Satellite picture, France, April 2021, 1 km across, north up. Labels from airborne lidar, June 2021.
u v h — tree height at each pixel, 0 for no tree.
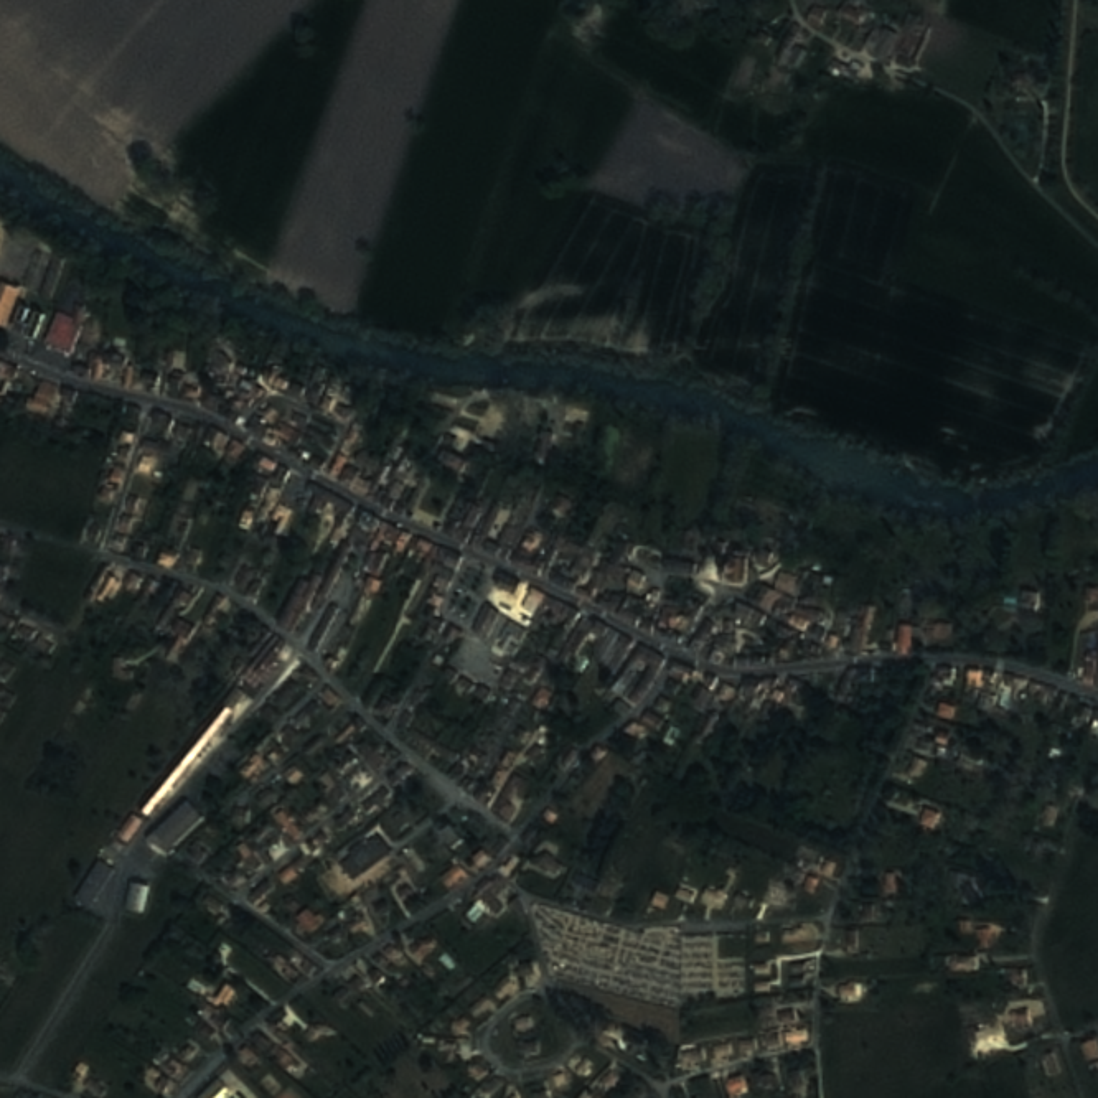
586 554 0
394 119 0
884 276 0
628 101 0
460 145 0
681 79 0
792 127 10
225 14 0
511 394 22
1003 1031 0
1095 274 0
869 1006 7
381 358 0
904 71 0
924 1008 0
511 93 0
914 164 0
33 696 0
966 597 11
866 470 0
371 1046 0
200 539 0
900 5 7
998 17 0
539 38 0
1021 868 0
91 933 0
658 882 0
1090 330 0
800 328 0
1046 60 9
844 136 0
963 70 0
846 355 0
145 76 0
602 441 16
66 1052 0
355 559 9
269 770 0
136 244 0
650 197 0
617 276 0
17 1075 0
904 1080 0
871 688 11
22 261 0
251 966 0
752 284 0
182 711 13
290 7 0
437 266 0
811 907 0
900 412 0
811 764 8
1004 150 0
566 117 0
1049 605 12
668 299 0
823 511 20
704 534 15
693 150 0
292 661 0
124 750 0
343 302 0
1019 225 0
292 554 16
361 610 0
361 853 0
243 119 0
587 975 0
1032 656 12
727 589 0
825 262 0
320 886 0
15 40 0
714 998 9
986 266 0
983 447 0
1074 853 0
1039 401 0
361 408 18
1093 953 0
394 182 0
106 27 0
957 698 6
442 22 0
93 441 9
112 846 0
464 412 0
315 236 0
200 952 9
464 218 0
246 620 13
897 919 7
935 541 0
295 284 0
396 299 0
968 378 0
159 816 0
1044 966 0
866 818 12
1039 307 0
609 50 0
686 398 0
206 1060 0
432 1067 10
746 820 14
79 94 0
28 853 0
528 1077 0
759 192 0
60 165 0
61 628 15
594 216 0
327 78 0
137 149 0
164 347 10
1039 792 18
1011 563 34
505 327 16
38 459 0
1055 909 0
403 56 0
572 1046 0
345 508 0
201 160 0
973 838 6
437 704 7
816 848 13
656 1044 23
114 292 16
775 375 21
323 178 0
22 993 0
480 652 0
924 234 0
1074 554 0
